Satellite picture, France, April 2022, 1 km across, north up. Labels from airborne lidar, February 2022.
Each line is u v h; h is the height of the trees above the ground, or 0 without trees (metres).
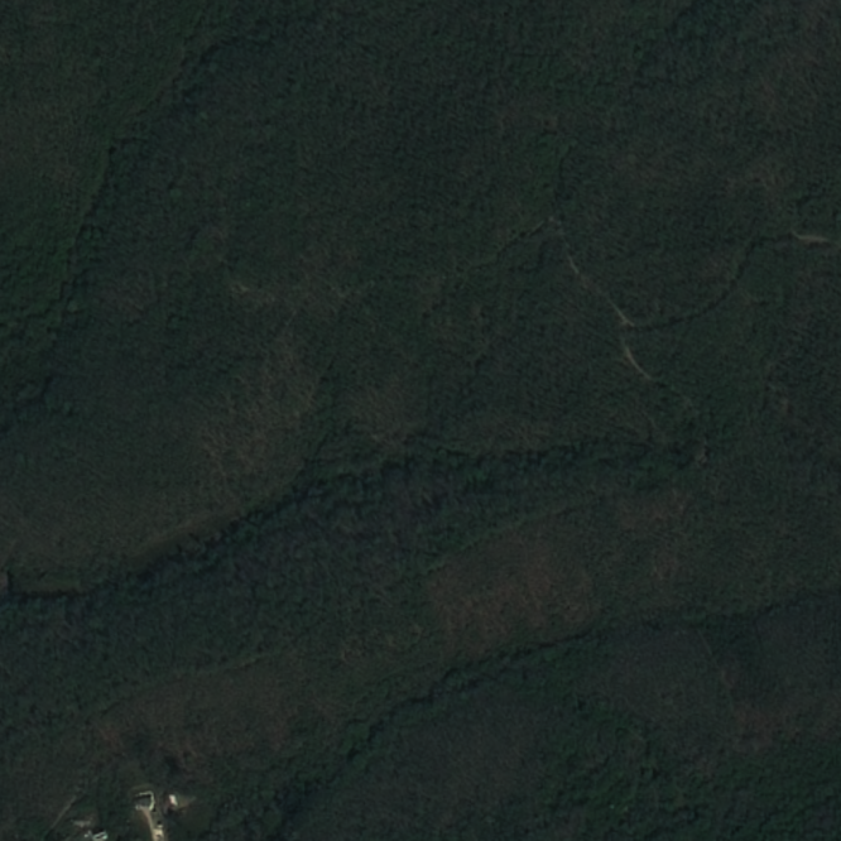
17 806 13
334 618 15
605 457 27
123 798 16
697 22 21
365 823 17
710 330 21
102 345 21
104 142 21
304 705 13
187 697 11
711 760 19
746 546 20
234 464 22
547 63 20
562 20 17
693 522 17
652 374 8
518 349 18
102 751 19
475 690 23
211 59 28
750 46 21
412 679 20
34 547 24
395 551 26
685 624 23
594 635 19
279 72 23
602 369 18
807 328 17
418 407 23
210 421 23
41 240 24
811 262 18
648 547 16
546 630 11
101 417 24
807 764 20
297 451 23
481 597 10
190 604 25
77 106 17
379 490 27
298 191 23
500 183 24
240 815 20
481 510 21
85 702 20
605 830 13
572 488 20
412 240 22
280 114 23
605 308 20
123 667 24
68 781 12
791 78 22
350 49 22
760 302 23
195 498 21
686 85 19
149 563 0
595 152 20
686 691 18
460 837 24
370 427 21
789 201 21
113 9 23
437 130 16
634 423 24
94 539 22
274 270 23
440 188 21
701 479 17
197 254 30
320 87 20
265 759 18
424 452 25
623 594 23
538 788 22
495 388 22
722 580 22
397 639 24
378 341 21
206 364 25
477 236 25
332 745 22
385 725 19
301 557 27
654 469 23
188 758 15
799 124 19
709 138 18
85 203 16
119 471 19
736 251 22
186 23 18
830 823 22
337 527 30
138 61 20
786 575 19
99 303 26
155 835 0
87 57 24
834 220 21
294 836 17
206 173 20
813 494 17
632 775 17
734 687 12
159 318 21
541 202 22
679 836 25
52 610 26
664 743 21
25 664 22
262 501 8
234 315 16
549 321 26
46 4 21
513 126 22
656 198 21
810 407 22
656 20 19
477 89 16
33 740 18
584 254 19
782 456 16
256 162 23
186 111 22
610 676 20
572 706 21
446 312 21
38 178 20
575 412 16
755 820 14
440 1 20
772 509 15
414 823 24
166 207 19
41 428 23
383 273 21
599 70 17
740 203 17
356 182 19
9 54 21
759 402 26
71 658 23
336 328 21
